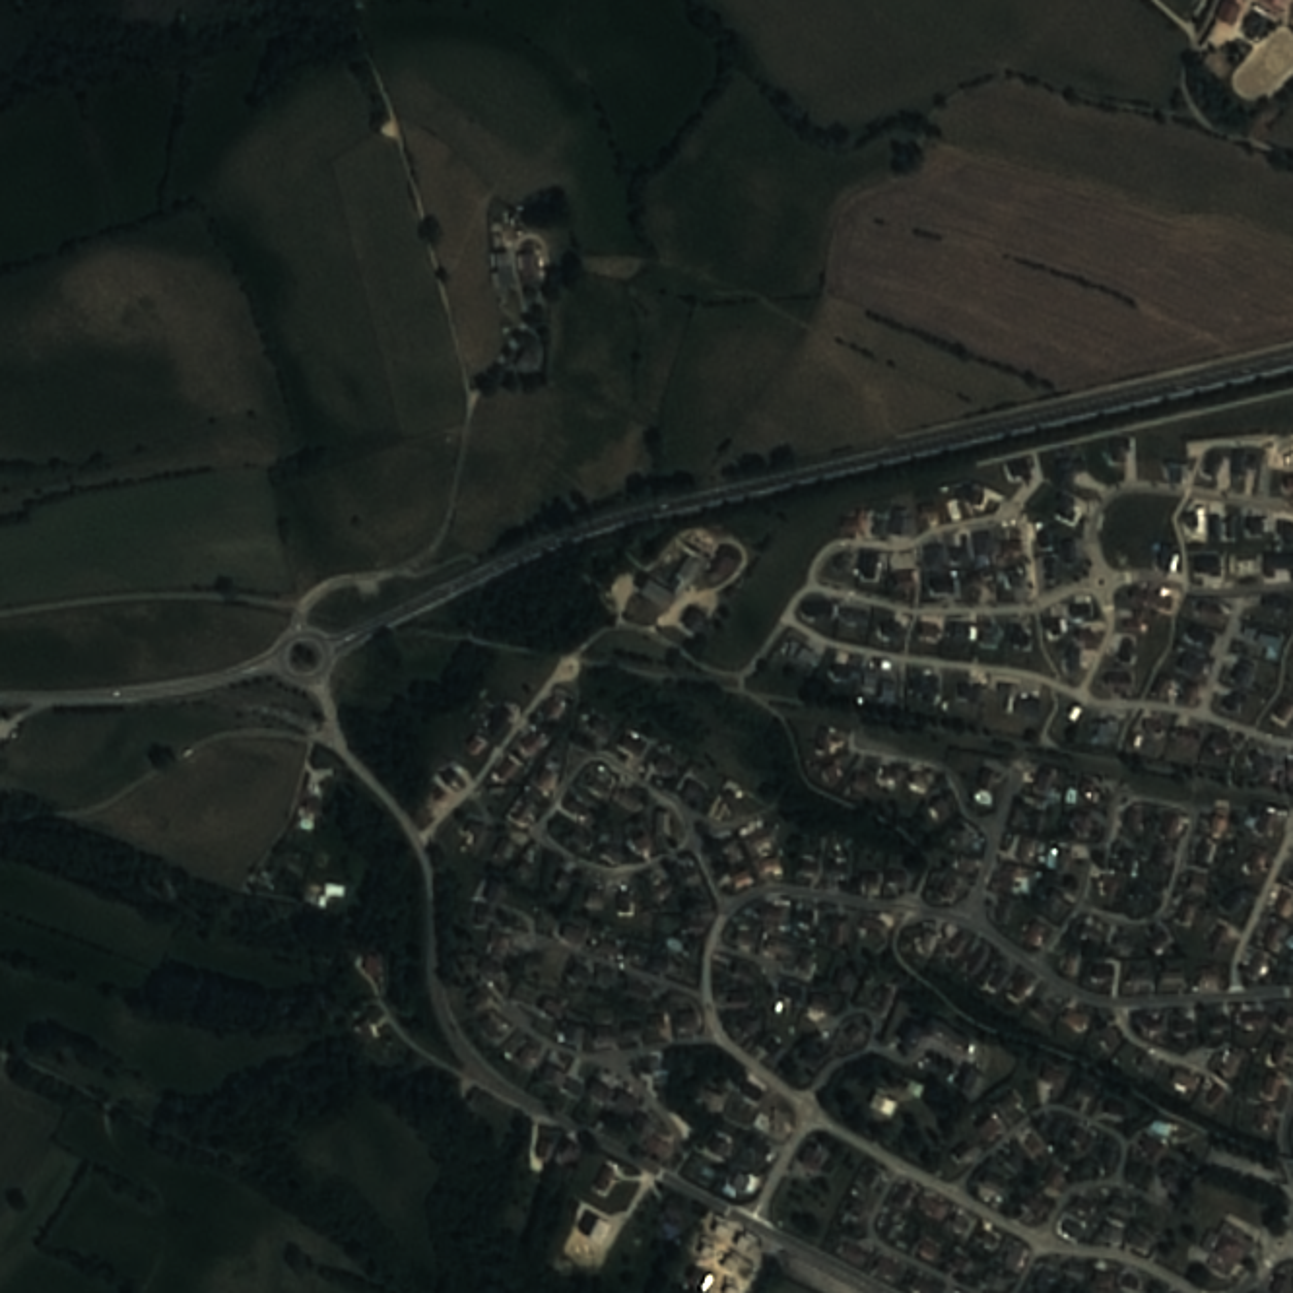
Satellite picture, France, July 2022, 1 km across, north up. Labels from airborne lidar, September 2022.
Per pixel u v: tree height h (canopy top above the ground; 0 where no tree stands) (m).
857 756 0
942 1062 11
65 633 0
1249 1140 7
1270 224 0
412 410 0
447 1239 14
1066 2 0
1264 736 0
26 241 0
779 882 0
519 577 13
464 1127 25
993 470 0
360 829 19
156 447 0
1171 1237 10
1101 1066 9
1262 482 0
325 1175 0
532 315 9
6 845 20
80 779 0
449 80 0
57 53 19
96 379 0
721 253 0
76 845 18
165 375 0
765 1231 0
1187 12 0
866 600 0
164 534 0
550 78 0
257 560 0
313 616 0
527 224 10
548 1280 13
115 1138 0
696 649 10
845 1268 0
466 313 0
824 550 0
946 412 0
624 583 0
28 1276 0
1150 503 0
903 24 0
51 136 0
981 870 0
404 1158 0
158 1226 0
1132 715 0
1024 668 0
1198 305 0
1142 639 0
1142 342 0
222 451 0
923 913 0
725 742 0
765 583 0
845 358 0
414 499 0
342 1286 9
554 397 0
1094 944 9
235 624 0
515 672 0
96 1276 21
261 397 0
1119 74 0
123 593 0
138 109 0
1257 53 0
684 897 6
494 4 0
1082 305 0
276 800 0
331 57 21
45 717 0
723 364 0
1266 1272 0
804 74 0
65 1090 6
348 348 0
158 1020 9
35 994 0
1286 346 0
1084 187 0
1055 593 0
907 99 0
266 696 0
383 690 0
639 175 10
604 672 9
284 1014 18
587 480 0
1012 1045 10
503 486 0
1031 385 10
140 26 9
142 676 0
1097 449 0
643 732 7
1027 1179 9
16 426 0
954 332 0
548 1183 12
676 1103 8
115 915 0
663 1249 6
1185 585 0
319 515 0
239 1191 0
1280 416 0
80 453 0
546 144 0
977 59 0
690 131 7
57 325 0
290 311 0
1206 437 0
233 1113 17
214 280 0
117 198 0
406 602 0
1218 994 0
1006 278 0
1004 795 0
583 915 7
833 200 0
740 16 0
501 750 0
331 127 0
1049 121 0
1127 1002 0
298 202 0
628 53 0
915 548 0
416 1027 17
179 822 0
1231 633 0
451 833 0
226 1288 0
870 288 0
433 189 0
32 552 0
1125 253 0
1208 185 0
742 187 0
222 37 12
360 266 0
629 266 0
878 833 8
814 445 0
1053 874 9
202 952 0
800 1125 0
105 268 0
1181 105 8
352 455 0
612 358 0
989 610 0
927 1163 14
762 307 0
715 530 0
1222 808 0
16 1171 0
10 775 0
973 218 0
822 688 10
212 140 0
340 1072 16
